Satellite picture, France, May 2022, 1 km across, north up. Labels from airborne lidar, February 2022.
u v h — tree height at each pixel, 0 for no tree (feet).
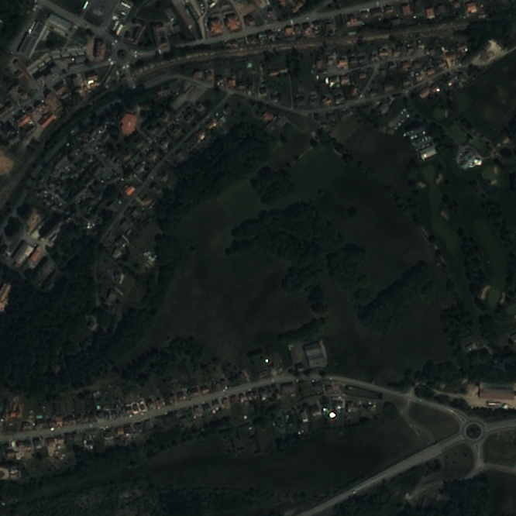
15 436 0
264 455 0
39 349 91
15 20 91
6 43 69
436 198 0
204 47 47
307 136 0
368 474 0
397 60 0
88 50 0
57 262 73
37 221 0
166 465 0
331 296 0
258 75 0
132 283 0
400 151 0
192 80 0
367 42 56
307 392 0
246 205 0
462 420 0
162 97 0
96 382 0
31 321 86
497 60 0
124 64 0
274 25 0
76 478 82
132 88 0
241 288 0
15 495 80
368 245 0
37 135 0
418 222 32
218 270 0
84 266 82
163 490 21
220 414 0
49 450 0
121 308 0
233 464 0
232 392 0
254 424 41
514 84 0
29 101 0
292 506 0
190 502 55
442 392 0
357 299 58
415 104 0
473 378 69
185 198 80
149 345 0
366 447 0
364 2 0
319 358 0
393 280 0
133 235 0
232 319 0
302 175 0
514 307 0
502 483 0
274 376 0
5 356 63
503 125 0
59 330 75
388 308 97
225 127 0
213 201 0
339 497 0
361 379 0
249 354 29
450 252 0
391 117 0
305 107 0
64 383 44
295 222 88
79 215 0
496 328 67
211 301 0
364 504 67
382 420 0
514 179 58
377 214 0
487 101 0
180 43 0
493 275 0
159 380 0
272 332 0
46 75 0
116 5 0
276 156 0
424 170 0
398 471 0
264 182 86
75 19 0
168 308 0
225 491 25
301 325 0
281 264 0
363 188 0
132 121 0
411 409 0
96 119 51
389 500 18
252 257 0
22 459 0
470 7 0
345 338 0
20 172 0
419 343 0
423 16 0
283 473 0
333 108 0
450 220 0
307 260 105
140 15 0
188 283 0
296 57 35
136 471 0
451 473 0
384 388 0
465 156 0
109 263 0
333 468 0
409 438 0
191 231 0
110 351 76
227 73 0
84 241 74
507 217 0
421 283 56
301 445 0
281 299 0
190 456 0
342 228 0
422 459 0
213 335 0
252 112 0
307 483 0
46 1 0
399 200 39
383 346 0
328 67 0
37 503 22
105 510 25
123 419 0
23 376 64
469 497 70
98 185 48
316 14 0
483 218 0
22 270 0
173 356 49
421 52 0
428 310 0
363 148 0
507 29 57
